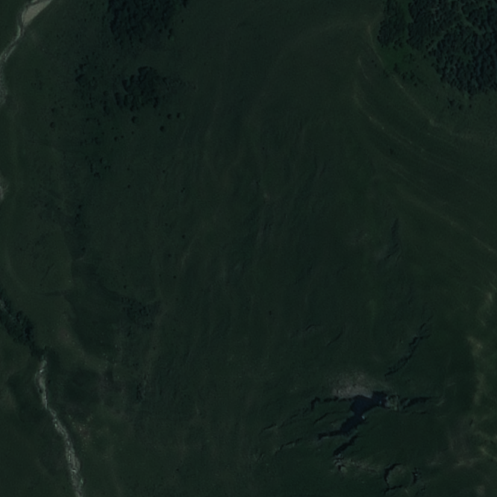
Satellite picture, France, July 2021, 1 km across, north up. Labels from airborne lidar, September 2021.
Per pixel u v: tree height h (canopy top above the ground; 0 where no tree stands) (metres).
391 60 0
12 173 0
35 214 0
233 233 0
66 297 0
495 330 0
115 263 0
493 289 0
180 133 0
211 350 0
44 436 0
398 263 0
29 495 0
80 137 0
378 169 0
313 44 0
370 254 0
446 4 22
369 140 0
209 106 0
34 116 0
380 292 0
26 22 0
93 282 0
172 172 0
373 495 0
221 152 0
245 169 0
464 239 0
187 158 0
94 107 7
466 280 0
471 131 0
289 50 0
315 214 0
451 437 0
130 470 0
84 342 0
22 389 0
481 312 0
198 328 0
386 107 0
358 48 0
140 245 0
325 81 0
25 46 0
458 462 0
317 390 0
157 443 0
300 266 0
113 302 0
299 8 0
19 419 0
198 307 0
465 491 0
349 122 0
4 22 0
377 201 0
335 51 0
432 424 0
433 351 0
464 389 0
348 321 0
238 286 0
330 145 0
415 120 0
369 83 0
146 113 0
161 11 10
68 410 0
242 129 0
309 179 0
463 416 0
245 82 0
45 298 0
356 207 0
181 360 0
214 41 0
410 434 0
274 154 0
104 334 0
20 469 0
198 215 0
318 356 0
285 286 0
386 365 0
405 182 0
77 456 0
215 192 0
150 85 18
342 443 0
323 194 0
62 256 0
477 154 0
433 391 0
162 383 0
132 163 0
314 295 0
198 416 0
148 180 0
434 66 11
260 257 0
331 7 0
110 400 0
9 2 0
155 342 0
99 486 0
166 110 0
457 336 0
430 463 0
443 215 0
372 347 0
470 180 0
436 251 0
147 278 0
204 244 0
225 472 0
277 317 0
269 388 0
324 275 0
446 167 0
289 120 0
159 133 0
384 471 0
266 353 0
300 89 0
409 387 0
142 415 0
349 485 0
